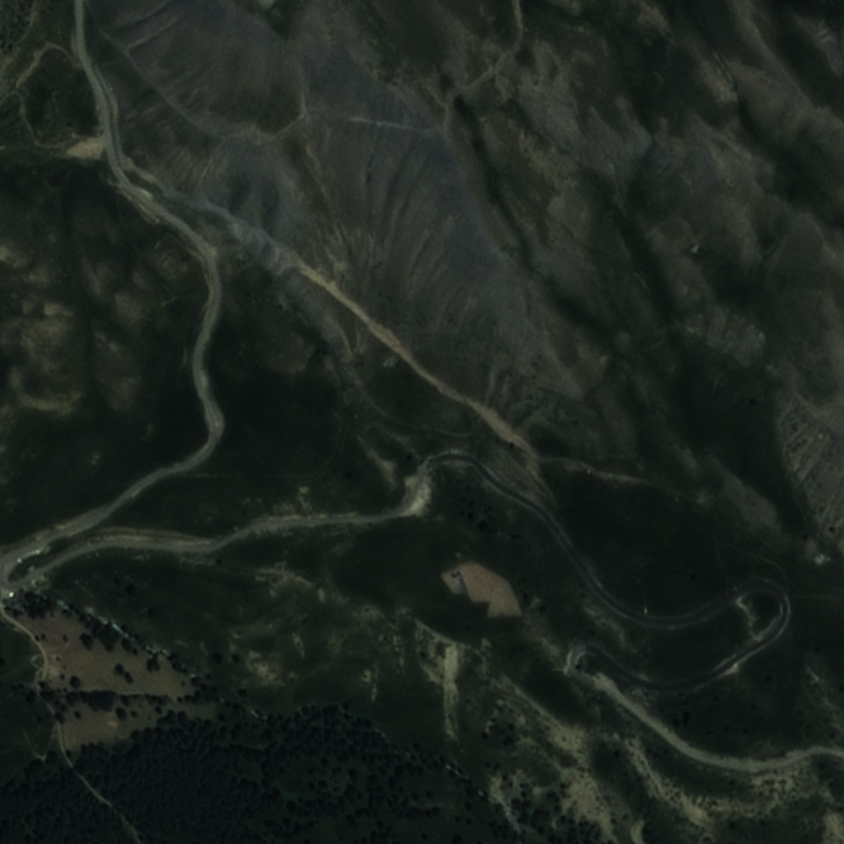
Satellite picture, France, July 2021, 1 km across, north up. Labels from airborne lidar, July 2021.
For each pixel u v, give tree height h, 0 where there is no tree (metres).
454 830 0
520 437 0
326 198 0
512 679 0
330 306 0
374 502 0
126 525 0
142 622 0
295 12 0
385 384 0
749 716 0
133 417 0
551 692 0
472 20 0
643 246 0
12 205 0
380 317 0
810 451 0
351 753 16
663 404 0
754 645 0
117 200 0
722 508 0
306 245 0
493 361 0
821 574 0
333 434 0
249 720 8
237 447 0
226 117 0
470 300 0
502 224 0
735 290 0
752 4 0
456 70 0
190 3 0
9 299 0
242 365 0
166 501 0
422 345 0
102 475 0
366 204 0
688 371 0
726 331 0
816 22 0
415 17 0
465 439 0
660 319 0
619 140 0
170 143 0
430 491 0
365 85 0
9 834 16
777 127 0
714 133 0
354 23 0
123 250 0
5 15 0
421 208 0
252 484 0
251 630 0
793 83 0
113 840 23
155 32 0
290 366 0
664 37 0
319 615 0
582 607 0
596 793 0
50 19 0
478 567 0
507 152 0
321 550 0
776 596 0
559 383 0
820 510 0
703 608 0
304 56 0
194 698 11
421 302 0
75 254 0
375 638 0
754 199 0
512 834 16
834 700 0
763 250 0
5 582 0
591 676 0
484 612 0
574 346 0
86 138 0
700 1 0
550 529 0
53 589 0
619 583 0
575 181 0
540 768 0
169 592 0
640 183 0
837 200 0
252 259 0
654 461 0
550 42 0
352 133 0
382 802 19
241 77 0
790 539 0
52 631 0
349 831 0
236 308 0
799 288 0
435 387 0
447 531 0
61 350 0
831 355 0
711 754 0
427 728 0
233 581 0
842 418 0
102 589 0
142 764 24
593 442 0
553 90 0
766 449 0
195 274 0
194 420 0
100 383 0
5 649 0
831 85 0
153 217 0
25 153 0
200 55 0
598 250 0
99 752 18
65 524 0
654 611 0
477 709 0
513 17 0
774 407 0
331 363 0
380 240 0
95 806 19
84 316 0
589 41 0
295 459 0
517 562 0
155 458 0
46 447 0
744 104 0
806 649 0
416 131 0
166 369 0
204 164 0
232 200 0
